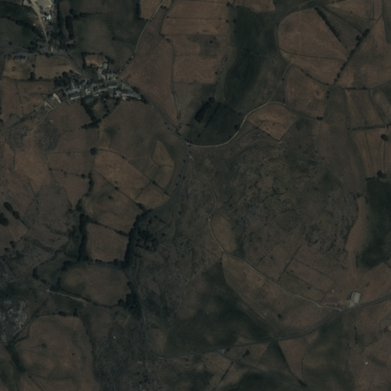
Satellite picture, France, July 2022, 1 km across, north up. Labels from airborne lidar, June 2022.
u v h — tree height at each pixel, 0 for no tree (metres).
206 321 0
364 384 0
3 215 11
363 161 0
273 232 0
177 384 0
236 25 0
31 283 0
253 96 0
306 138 0
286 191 0
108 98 12
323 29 0
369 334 0
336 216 0
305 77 0
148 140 0
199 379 0
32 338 0
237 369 0
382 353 0
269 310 0
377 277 0
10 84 0
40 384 0
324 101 0
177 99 0
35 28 17
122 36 0
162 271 0
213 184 0
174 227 0
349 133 0
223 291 0
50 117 0
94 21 0
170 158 0
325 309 0
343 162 0
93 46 0
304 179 0
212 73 0
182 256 0
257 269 0
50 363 0
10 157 0
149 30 0
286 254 0
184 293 0
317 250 0
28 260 0
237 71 0
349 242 0
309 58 0
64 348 0
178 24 0
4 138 0
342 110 0
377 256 0
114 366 0
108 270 0
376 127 0
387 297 0
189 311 0
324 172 0
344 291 0
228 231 0
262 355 0
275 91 0
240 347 0
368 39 0
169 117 0
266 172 0
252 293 0
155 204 0
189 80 0
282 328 0
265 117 0
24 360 0
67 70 0
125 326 0
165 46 0
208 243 0
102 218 0
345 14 0
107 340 0
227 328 0
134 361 0
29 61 0
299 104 0
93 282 0
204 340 0
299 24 0
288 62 0
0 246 0
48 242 0
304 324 0
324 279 0
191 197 0
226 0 0
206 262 0
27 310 0
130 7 0
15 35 0
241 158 0
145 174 0
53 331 0
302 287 0
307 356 0
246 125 0
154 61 0
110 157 0
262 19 0
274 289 0
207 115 0
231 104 0
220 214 0
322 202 0
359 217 0
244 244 0
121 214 0
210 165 0
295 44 0
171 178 0
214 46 0
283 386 0
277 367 0
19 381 0
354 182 0
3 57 0
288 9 0
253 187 0
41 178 0
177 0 0
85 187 0
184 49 0
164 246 0
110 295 0
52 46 0
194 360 0
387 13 0
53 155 0
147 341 0
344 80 0
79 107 0
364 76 0
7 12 0
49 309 0
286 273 0
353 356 0
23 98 0
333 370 0
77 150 0
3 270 0
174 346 0
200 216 0
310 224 0
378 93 0
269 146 0
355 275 0
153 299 0
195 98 0
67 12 0
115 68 0
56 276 0
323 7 0
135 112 0
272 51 0
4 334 0
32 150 0
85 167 0
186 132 0
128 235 12
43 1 0
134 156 0
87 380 0
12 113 0
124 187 0
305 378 0
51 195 0
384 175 27
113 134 0
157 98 0
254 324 0
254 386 0
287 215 0
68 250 0
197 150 0
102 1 0
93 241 0
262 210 0
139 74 0
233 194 0
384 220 0
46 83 0
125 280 0
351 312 0
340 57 0
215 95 0
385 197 0
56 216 0
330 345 0
